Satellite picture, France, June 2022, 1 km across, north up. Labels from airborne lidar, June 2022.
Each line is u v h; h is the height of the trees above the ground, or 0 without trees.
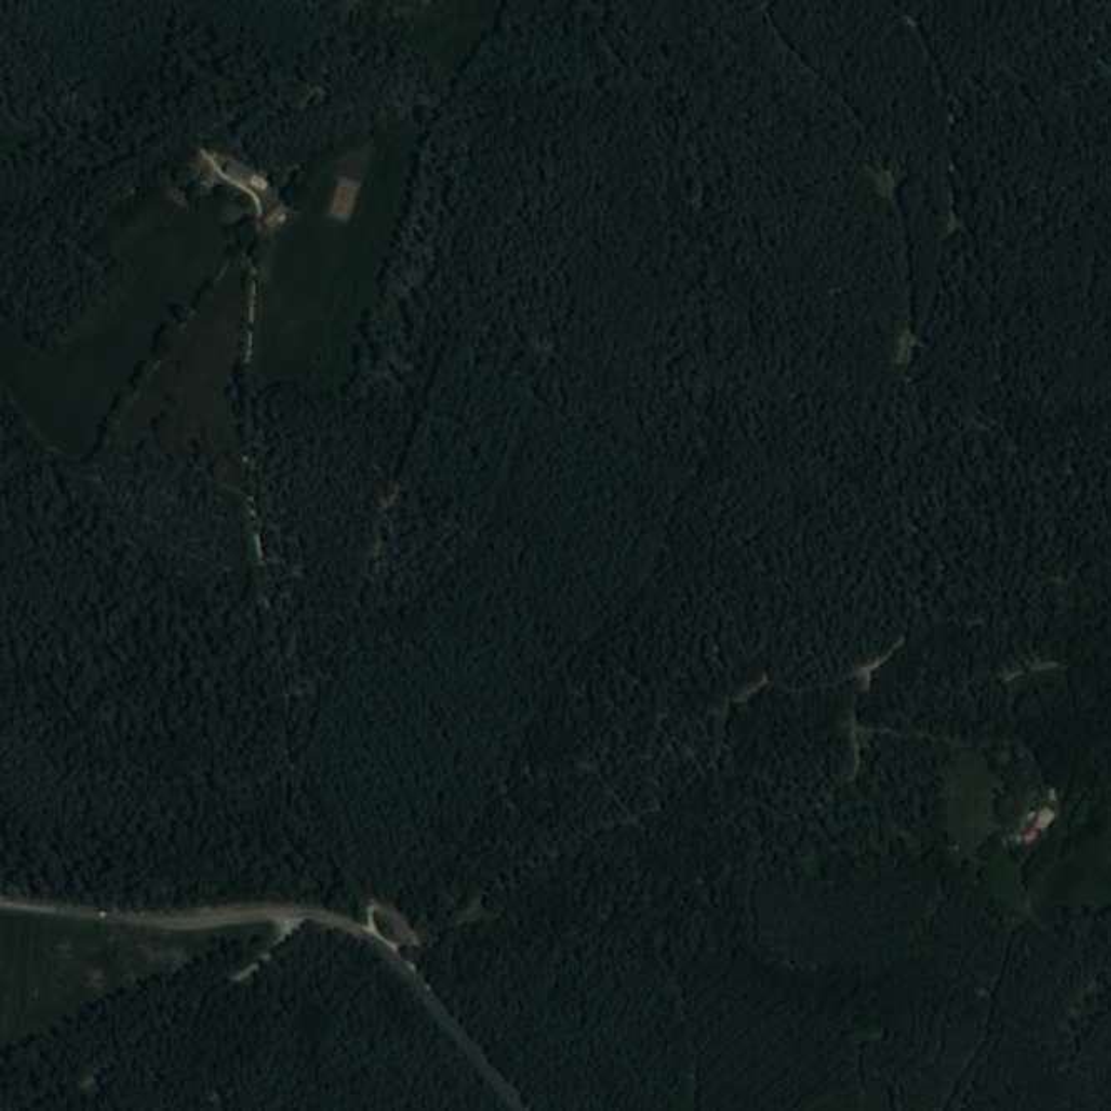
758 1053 14
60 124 31
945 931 14
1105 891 0
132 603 27
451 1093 21
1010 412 17
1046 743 15
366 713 22
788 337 22
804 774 11
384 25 14
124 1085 28
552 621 23
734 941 17
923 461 24
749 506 17
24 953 0
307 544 22
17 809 27
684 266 28
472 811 21
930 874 9
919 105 29
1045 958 15
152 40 12
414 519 20
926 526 30
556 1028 20
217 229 0
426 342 25
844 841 14
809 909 13
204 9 17
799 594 22
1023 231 27
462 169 26
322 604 25
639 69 21
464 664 19
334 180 0
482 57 20
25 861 7
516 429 28
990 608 12
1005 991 16
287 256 0
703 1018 14
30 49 21
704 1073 15
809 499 21
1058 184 29
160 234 0
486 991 22
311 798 18
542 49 23
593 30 22
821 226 29
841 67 24
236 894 16
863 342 23
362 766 21
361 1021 17
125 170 33
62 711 19
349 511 19
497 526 19
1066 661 13
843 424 23
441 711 21
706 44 23
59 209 33
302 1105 22
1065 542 22
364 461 22
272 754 30
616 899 17
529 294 24
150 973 0
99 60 16
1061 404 22
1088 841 20
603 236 25
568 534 20
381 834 20
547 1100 23
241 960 17
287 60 15
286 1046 22
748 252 22
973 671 18
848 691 17
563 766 13
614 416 25
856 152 25
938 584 27
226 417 0
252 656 11
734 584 15
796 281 25
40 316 34
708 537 21
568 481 21
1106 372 19
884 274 27
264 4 16
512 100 26
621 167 26
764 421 26
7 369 0
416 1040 24
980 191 32
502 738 18
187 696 16
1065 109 27
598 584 23
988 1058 14
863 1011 15
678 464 18
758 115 26
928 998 18
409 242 24
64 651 21
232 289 0
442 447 28
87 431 0
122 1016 30
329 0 16
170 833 24
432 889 16
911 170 23
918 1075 12
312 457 17
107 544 30
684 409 14
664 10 29
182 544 14
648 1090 23
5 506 30
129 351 0
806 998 18
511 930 17
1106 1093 15
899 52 28
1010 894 0
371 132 7
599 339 23
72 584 33
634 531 23
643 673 26
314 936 11
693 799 16
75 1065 28
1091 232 26
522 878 20
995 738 9
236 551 17
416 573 19
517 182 24
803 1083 15
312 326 0
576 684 18
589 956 25
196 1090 26
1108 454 18
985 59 25
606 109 20
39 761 25
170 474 15
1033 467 29
